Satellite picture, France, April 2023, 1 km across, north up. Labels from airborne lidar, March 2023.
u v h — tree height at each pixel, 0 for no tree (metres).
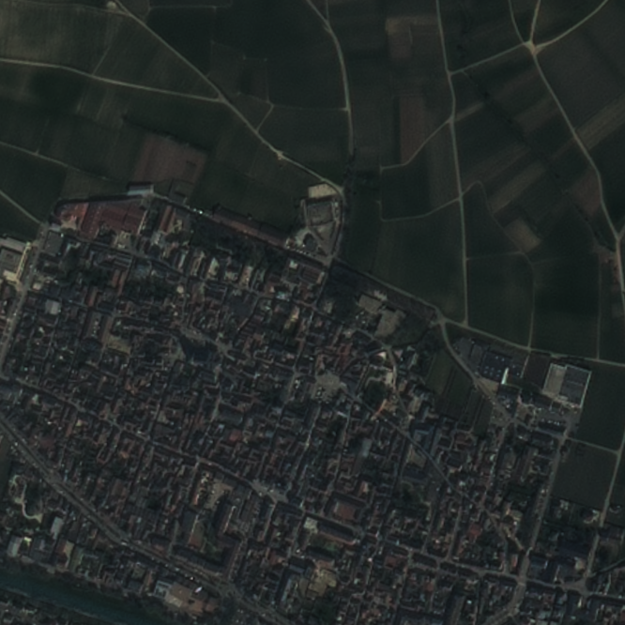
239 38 0
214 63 0
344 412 0
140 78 0
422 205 0
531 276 0
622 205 0
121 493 0
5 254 0
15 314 0
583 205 0
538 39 0
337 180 0
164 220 0
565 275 0
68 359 8
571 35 0
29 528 11
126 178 0
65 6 0
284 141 0
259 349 0
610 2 0
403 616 0
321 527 0
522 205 0
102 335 0
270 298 0
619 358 0
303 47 0
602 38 0
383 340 13
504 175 0
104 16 0
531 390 0
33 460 0
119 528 10
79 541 6
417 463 0
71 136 0
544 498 0
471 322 0
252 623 13
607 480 0
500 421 0
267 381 0
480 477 0
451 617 0
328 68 0
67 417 0
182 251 0
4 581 0
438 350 18
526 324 0
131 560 0
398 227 0
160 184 0
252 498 0
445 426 0
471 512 0
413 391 0
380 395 18
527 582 0
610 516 0
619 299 0
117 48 0
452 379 0
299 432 0
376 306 0
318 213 0
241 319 0
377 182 0
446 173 0
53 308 0
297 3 0
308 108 0
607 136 0
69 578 9
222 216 0
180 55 0
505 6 0
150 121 0
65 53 0
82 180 0
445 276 0
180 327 0
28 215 0
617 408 0
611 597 0
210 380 0
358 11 0
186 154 0
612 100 0
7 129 0
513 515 0
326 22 0
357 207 0
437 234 0
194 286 0
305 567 0
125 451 0
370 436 0
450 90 0
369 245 0
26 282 0
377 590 0
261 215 0
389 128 0
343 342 0
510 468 0
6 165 0
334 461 0
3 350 0
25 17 0
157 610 16
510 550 9
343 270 7
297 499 0
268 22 0
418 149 0
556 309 0
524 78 0
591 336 0
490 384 0
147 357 7
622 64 0
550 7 0
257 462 0
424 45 0
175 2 0
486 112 0
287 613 0
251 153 0
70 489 0
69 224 0
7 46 0
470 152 0
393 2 0
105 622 0
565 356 0
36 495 11
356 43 0
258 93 0
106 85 0
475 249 0
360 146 0
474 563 0
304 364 0
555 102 0
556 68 0
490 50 0
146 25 0
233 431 0
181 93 0
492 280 0
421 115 0
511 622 6
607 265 0
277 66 0
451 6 0
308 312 0
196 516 0
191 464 0
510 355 0
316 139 0
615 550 0
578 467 0
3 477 0
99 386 0
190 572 0
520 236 0
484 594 0
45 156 0
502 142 0
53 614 13
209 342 0
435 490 0
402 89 0
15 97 0
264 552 0
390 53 0
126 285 9
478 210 0
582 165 0
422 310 15
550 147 0
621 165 0
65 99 0
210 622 16
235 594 0
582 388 0
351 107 0
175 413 0
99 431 0
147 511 0
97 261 0
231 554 0
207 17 0
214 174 0
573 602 0
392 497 11
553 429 0
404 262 0
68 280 5
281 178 0
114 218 0
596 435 0
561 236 0
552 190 0
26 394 0
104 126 0
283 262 10
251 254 6
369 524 0
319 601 7
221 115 0
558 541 7
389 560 0
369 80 0
